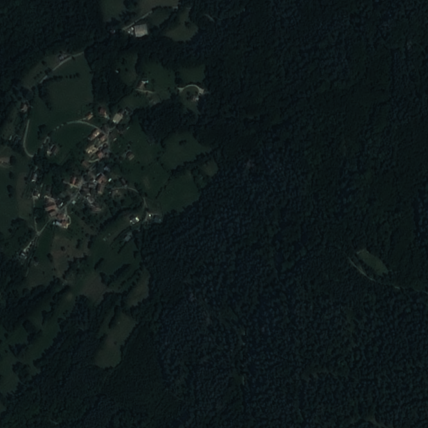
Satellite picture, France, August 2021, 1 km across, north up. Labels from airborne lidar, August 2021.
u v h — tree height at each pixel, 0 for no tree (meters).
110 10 0
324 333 23
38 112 0
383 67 9
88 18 19
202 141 19
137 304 0
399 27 26
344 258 14
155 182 0
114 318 11
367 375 17
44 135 8
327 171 7
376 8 26
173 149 0
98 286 0
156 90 0
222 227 12
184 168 15
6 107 15
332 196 8
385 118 22
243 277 35
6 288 10
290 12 29
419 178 10
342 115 8
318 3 31
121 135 9
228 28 21
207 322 34
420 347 28
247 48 26
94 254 0
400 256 9
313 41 30
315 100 11
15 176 10
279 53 29
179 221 19
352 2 26
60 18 15
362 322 30
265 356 21
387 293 20
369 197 7
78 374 23
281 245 28
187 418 10
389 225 33
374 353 29
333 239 22
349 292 18
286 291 6
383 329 26
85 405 26
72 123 0
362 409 16
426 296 21
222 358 29
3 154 0
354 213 29
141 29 0
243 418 15
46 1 14
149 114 19
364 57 22
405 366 21
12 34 15
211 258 21
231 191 23
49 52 25
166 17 0
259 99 37
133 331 7
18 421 20
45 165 21
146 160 0
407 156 9
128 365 8
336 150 14
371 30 31
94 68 21
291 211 32
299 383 24
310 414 17
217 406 37
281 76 29
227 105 15
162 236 21
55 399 19
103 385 17
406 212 8
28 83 0
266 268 30
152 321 10
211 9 37
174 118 18
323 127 14
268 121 25
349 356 9
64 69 0
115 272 0
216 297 6
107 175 13
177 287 24
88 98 0
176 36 0
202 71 0
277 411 24
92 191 16
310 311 22
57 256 0
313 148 20
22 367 16
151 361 5
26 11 17
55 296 12
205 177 8
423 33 32
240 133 29
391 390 22
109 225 15
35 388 13
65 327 20
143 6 0
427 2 29
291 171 35
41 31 19
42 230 0
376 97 9
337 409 26
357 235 23
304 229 26
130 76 0
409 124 10
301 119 24
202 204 13
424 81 8
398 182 8
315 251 21
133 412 18
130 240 7
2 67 30
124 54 17
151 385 6
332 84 12
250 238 36
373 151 33
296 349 21
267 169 15
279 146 29
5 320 17
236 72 30
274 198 33
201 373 35
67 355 14
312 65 32
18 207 0
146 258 22
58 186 12
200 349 26
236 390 15
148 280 0
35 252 8
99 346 21
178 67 17
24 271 11
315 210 6
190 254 31
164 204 0
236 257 10
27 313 20
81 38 25
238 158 26
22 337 0
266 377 24
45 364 9
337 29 37
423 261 7
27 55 29
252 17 25
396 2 29
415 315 28
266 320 34
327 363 11
